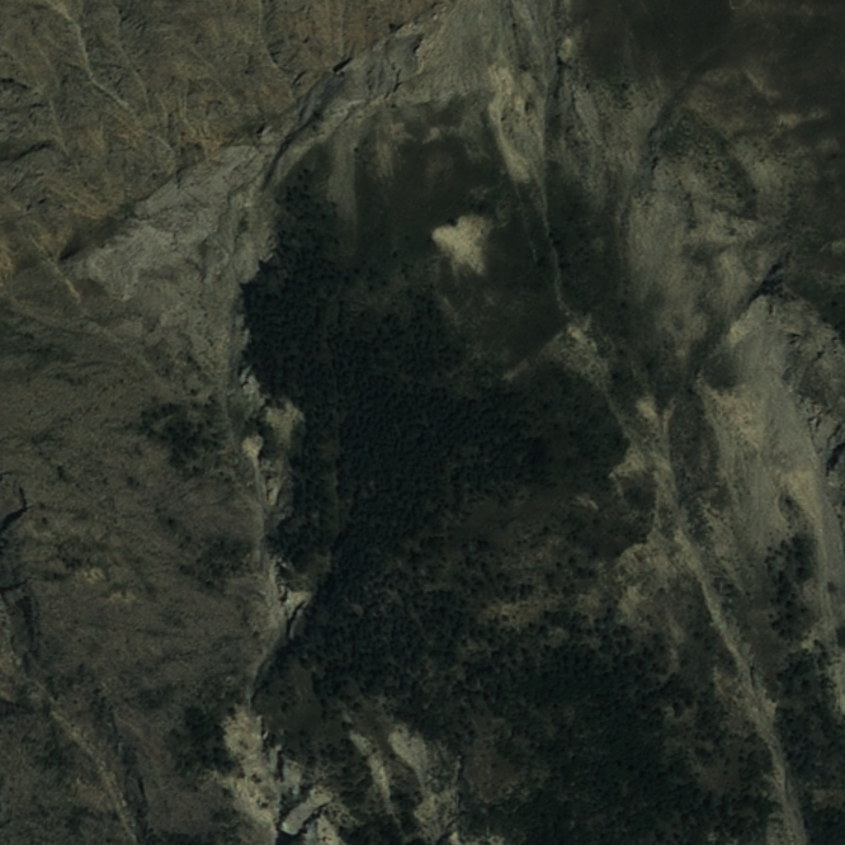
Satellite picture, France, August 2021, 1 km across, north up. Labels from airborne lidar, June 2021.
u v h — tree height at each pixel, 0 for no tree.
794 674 8
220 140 0
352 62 0
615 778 10
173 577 0
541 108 0
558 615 7
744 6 0
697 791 7
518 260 0
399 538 21
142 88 0
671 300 0
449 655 6
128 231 0
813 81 0
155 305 0
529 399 6
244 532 0
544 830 8
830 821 9
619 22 0
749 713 0
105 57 0
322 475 15
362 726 0
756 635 0
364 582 20
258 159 0
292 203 11
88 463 0
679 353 0
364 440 15
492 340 0
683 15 0
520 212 0
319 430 17
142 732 0
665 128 0
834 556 0
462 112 0
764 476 0
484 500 6
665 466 0
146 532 0
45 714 10
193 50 0
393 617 14
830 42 0
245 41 0
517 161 0
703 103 0
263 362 13
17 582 8
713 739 8
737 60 0
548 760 7
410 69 0
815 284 0
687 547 0
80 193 0
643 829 7
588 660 12
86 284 0
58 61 0
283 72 0
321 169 0
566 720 7
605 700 9
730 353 0
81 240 0
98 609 0
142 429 7
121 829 8
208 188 0
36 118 0
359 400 11
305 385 10
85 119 0
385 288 8
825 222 0
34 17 0
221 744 9
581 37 0
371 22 0
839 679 0
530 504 0
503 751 10
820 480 0
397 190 0
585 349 0
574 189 0
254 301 21
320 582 7
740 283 0
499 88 0
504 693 18
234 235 0
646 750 10
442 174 0
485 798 0
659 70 0
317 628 14
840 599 0
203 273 0
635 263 0
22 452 0
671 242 0
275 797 0
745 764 15
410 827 10
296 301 15
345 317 9
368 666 11
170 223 0
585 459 6
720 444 0
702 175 0
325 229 0
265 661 0
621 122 0
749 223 0
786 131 0
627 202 0
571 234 0
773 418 0
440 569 8
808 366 0
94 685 11
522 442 13
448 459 9
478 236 0
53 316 0
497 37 0
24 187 0
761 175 0
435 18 0
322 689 24
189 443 11
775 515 0
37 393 0
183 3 0
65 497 0
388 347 12
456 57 0
